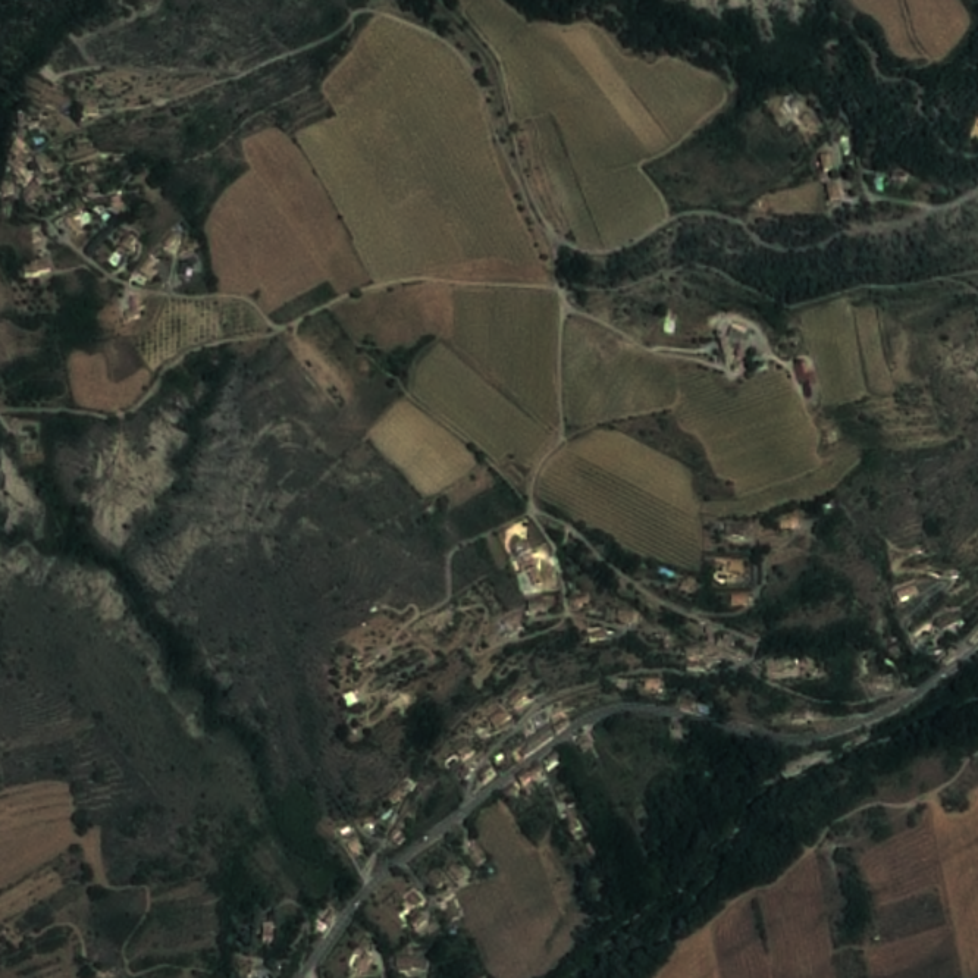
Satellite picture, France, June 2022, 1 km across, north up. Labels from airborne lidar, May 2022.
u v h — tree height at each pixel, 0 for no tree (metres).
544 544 0
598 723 6
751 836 7
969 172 12
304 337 0
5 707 0
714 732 17
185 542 0
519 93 0
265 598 0
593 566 8
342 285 0
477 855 0
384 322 0
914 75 18
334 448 0
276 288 0
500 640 0
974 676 14
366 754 0
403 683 8
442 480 0
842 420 0
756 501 0
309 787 8
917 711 11
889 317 0
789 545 0
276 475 0
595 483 0
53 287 7
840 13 13
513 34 0
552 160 0
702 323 0
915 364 0
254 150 0
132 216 12
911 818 7
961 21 0
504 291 0
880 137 12
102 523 0
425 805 7
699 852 21
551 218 0
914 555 0
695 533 0
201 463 0
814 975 0
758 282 7
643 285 0
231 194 0
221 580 0
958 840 0
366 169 0
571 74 0
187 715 0
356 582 0
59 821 0
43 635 0
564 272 11
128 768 0
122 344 0
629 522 0
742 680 10
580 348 0
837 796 6
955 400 0
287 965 7
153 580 0
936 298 0
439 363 0
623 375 0
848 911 13
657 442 0
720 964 0
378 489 0
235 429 0
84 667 0
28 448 0
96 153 0
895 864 0
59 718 0
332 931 0
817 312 0
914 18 0
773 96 13
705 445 0
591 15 8
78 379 0
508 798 11
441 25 12
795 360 8
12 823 0
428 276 0
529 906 0
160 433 0
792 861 8
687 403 0
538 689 6
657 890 11
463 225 0
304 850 6
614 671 6
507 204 0
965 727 19
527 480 0
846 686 7
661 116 0
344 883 12
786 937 0
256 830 6
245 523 0
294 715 0
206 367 5
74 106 9
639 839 8
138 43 0
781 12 8
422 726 8
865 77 8
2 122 20
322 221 0
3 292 0
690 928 12
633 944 11
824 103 10
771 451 0
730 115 7
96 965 9
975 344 0
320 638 0
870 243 6
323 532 0
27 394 6
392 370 9
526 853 0
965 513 0
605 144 0
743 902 0
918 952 0
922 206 0
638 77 0
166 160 10
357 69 0
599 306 0
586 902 26
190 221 8
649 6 11
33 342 0
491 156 0
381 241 0
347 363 0
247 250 0
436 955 18
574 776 9
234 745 0
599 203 0
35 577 0
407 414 0
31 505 0
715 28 10
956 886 0
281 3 6
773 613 11
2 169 15
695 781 21
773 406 0
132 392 0
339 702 7
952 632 7
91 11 9
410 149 0
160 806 6
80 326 0
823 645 13
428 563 0
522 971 0
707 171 0
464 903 0
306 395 0
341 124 0
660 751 7
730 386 0
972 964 0
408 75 0
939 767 0
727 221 6
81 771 0
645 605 9
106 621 0
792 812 9
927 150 12
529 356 0
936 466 0
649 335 0
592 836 8
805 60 5
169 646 7
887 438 0
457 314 0
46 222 7
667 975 0
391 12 0
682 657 6
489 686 11
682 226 7
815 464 0
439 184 0
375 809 6
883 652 9
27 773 0
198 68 0
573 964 10
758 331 0
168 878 9
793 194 0
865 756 12
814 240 12
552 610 6
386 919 0
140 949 0
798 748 12
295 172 0
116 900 0
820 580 9
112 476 0
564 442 0
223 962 9
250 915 7
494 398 0
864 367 0
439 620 0
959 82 13
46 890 0
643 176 0
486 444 0
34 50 6
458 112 0
